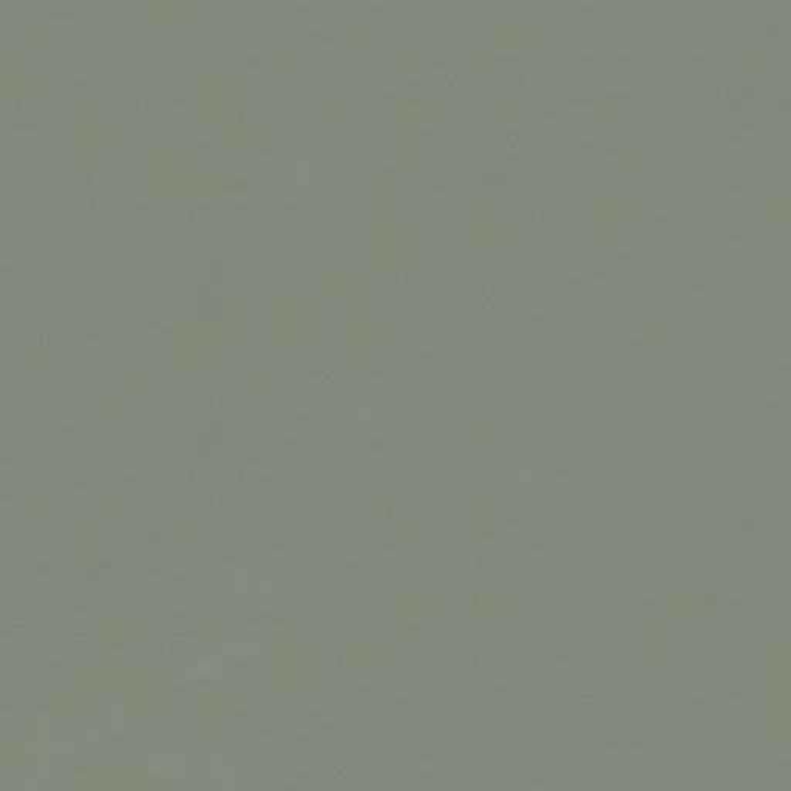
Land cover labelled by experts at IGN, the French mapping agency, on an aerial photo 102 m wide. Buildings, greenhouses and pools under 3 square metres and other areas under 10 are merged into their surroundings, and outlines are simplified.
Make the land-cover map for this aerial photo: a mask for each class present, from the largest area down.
<instances>
[{"label":"water","instance_id":"1","mask_svg":"<svg viewBox=\"0 0 791 791\"><path fill-rule=\"evenodd\" d=\"M0 791H791V0H0Z\"/></svg>","mask_w":791,"mask_h":791}]
</instances>
